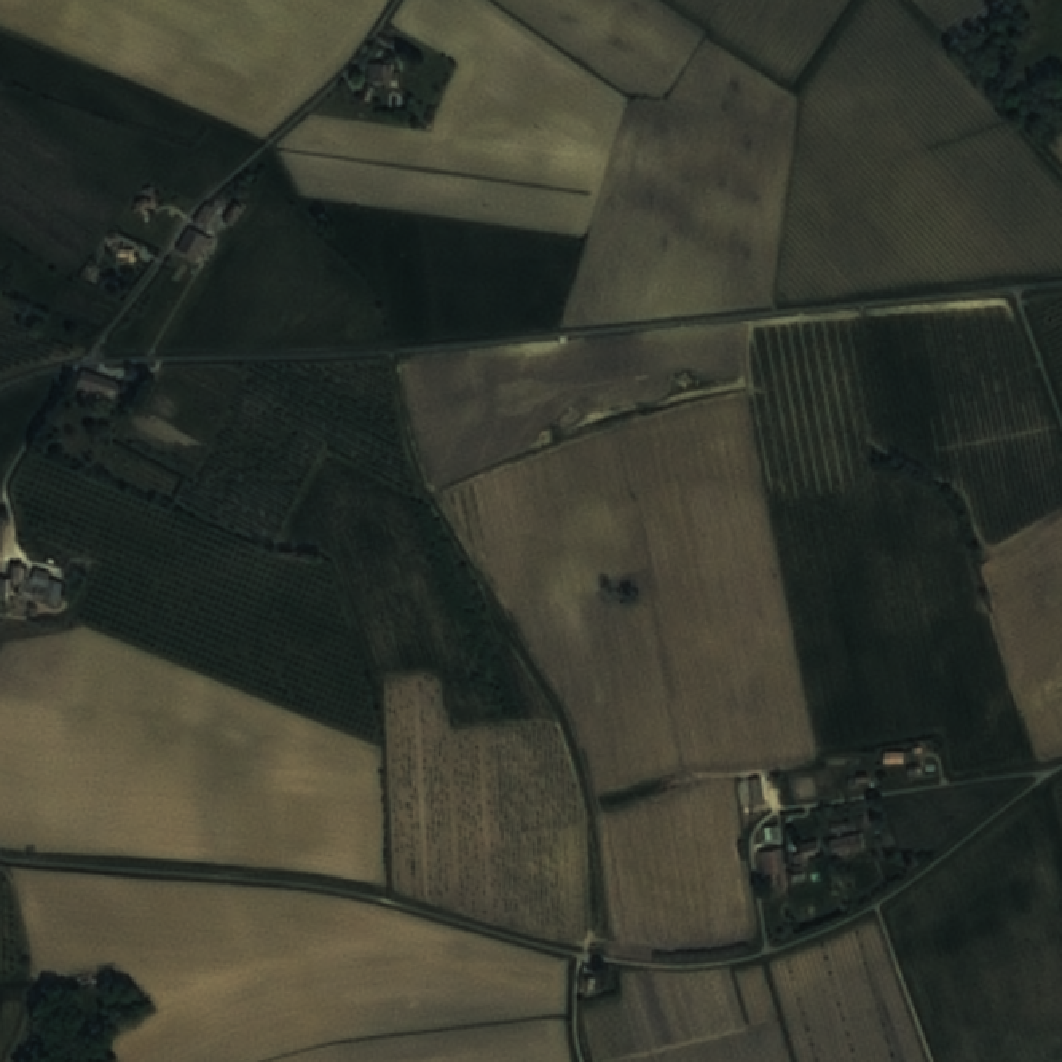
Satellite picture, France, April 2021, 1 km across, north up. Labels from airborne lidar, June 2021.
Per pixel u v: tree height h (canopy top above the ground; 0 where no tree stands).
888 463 9
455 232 0
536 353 0
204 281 0
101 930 0
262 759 0
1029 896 0
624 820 0
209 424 0
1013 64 13
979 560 10
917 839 0
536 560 0
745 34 0
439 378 0
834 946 0
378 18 0
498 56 0
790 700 0
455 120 0
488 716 0
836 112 0
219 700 0
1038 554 0
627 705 0
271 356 0
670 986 0
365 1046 0
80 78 0
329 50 0
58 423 16
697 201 0
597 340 0
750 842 0
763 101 0
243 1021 0
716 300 0
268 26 0
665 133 0
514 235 0
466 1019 0
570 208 0
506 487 0
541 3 0
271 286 0
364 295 0
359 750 0
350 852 0
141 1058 0
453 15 0
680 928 0
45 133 0
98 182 0
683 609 0
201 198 0
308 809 0
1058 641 0
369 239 0
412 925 0
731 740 0
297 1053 0
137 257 7
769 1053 0
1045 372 0
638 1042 0
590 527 0
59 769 0
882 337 0
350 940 0
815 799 0
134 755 0
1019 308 0
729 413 0
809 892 0
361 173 0
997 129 0
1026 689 0
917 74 0
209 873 0
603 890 0
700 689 0
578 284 0
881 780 7
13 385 0
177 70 0
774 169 0
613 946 0
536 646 0
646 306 0
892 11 0
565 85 0
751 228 0
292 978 0
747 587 0
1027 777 0
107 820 0
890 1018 0
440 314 0
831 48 0
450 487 0
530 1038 0
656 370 0
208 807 0
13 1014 0
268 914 0
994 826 0
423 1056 0
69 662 0
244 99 0
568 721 0
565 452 0
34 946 0
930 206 0
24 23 0
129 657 0
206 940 0
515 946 0
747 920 0
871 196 0
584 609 0
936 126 0
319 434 6
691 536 0
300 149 0
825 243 0
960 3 0
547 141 0
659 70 0
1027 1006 0
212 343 0
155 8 0
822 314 0
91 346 0
